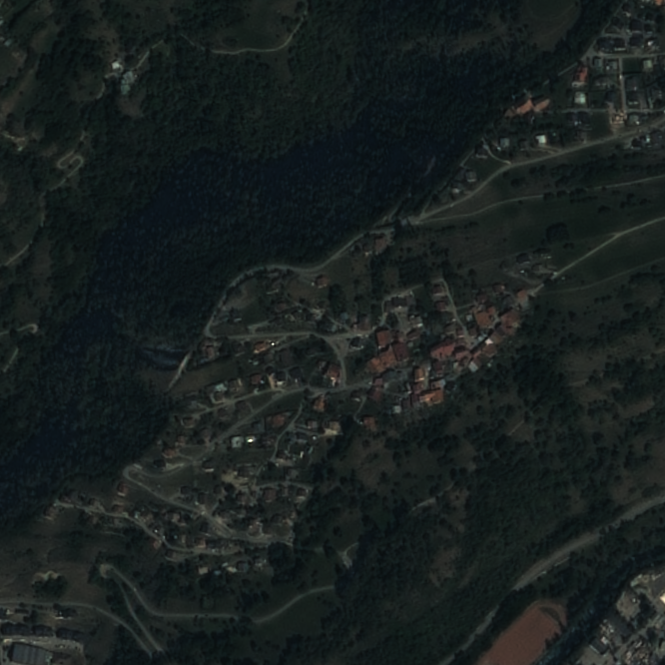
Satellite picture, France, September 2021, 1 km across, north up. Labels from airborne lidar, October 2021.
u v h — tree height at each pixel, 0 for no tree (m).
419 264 16
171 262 22
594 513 23
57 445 26
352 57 18
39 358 18
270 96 8
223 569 9
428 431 16
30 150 8
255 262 12
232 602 0
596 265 0
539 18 0
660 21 11
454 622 15
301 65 14
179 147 32
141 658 12
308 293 0
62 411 21
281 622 0
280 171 16
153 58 12
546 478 19
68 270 14
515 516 16
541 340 6
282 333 0
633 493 12
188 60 16
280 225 20
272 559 13
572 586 28
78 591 0
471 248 0
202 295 12
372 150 11
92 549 0
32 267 15
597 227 0
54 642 0
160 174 12
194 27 14
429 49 9
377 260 15
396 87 11
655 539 24
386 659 12
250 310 0
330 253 9
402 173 11
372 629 12
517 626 0
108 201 24
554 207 0
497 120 7
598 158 8
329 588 0
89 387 7
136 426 16
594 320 0
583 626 14
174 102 19
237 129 15
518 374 13
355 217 16
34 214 12
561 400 21
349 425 19
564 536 12
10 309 18
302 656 14
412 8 24
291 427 0
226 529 0
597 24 7
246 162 24
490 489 21
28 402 22
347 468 0
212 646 22
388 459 0
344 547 0
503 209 0
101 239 12
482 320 0
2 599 0
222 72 9
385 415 6
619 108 0
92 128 15
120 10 10
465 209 0
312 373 0
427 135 7
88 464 21
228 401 0
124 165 18
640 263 0
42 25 8
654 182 0
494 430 9
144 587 11
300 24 10
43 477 14
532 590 17
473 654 9
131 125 16
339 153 20
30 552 9
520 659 0
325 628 11
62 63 15
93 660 9
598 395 0
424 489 0
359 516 0
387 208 10
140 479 0
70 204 23
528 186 9
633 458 14
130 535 14
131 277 23
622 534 19
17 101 0
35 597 6
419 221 0
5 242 15
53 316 16
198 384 0
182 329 11
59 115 14
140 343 5
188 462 0
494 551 17
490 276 0
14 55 0
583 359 0
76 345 21
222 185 18
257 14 0
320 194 17
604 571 24
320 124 21
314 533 13
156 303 21
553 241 14
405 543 20
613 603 9
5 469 17
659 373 14
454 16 8
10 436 24
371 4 19
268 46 0
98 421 15
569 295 0
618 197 9
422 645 11
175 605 0
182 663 19
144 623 10
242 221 22
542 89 10
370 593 16
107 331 11
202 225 25
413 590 6
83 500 9
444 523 12
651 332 11
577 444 21
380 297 11
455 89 23
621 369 17
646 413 7
